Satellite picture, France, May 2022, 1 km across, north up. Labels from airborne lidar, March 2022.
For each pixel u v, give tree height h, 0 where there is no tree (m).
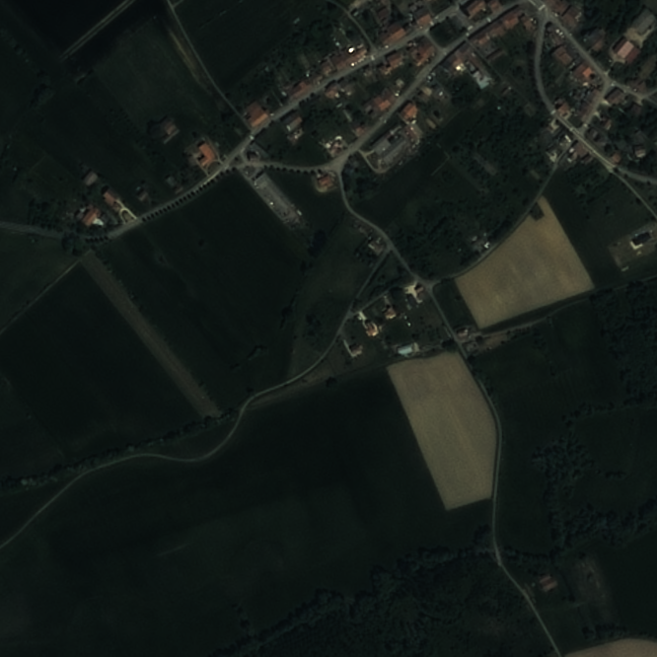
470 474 0
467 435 0
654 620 0
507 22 0
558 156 0
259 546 0
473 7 0
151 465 0
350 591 0
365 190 18
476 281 0
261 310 0
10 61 0
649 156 6
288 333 0
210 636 0
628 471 0
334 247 0
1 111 0
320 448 0
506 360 0
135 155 0
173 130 0
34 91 0
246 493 0
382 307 0
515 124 8
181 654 0
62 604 0
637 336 16
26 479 7
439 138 11
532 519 0
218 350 0
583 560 11
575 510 0
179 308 0
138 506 0
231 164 0
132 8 0
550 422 0
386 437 0
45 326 0
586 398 0
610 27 7
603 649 0
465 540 0
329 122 0
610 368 0
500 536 0
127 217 0
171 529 0
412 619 0
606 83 0
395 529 0
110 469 0
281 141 0
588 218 7
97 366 0
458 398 0
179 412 0
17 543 0
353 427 0
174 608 0
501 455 0
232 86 0
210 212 0
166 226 0
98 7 0
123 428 0
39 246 0
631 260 0
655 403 10
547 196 0
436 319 0
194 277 0
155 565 0
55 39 0
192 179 0
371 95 0
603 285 0
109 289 0
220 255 0
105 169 0
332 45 0
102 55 0
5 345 0
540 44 0
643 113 0
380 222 0
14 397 0
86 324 0
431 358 0
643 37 0
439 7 0
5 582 0
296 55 0
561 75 0
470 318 0
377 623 11
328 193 0
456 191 0
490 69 6
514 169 0
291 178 0
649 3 0
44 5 0
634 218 0
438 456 0
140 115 0
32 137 0
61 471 15
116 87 0
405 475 0
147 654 0
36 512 0
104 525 0
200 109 0
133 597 0
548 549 0
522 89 0
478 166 6
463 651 0
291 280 0
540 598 0
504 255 0
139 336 0
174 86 0
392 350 0
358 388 0
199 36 0
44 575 0
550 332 0
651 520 19
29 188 0
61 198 0
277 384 0
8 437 0
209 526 0
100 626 0
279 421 0
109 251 0
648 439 0
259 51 0
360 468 0
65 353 0
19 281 0
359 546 0
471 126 0
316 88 0
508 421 0
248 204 0
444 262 0
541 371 0
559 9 0
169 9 0
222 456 0
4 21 0
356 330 0
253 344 0
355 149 0
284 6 0
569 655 0
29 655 0
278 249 0
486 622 0
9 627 0
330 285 0
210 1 0
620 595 0
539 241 0
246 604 0
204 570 0
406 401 0
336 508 0
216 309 0
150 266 0
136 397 0
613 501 0
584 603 0
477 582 0
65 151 0
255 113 0
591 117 0
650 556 0
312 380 0
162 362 0
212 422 11
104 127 0
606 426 0
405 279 10
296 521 0
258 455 0
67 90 0
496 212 0
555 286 0
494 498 0
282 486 0
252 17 0
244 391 0
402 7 0
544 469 6
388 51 0
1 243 0
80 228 7
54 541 0
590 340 0
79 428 0
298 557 0
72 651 0
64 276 0
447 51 0
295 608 0
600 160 0
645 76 0
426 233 7
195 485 0
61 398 0
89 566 0
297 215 0
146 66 0
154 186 0
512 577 0
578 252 0
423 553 14
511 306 0
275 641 15
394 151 0
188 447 0
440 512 0
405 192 0
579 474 17
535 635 0
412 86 0
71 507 0
